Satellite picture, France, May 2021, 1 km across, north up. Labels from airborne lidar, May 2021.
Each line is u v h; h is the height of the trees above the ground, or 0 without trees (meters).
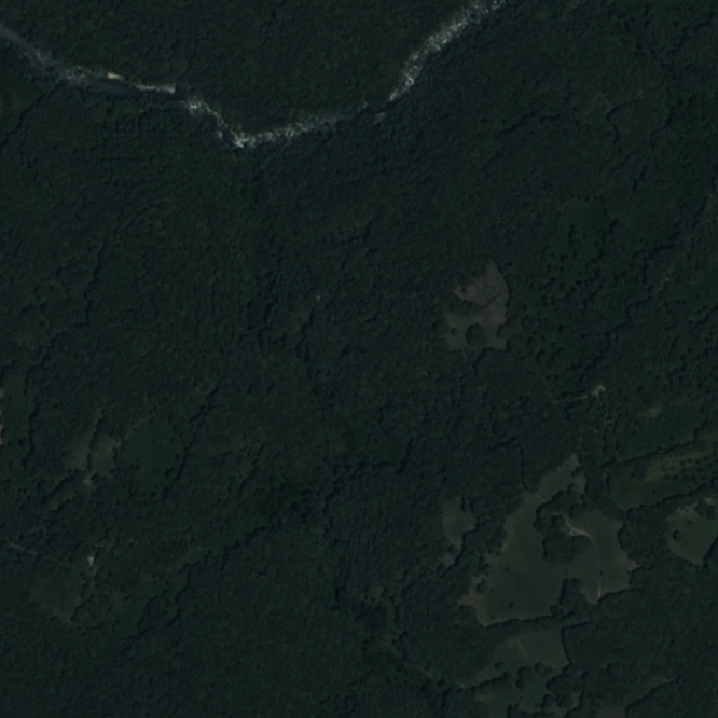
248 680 16
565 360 9
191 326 11
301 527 21
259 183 21
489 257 15
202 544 15
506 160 19
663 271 10
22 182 20
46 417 14
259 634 14
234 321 13
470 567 11
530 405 12
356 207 12
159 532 12
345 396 17
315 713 18
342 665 19
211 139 21
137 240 10
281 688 17
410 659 18
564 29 14
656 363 14
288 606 13
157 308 10
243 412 15
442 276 10
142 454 0
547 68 15
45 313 11
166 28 12
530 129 18
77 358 11
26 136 18
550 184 10
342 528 17
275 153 16
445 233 13
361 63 13
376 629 16
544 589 0
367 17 9
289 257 17
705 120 13
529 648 0
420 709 16
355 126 11
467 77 14
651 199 20
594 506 14
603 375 11
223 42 12
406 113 17
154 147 13
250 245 22
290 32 12
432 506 13
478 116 17
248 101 6
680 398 15
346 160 15
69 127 20
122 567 15
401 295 12
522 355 8
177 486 9
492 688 16
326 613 17
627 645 19
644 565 13
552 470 16
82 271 11
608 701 16
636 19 20
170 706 15
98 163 11
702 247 11
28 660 10
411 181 13
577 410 14
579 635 16
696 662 18
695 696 16
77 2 10
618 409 9
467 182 15
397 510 12
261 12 19
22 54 15
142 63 12
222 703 18
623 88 17
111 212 10
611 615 16
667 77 15
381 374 16
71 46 18
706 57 10
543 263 10
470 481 17
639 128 17
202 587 17
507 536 14
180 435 7
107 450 0
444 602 12
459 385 11
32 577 14
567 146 17
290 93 13
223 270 12
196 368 8
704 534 0
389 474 17
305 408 18
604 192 15
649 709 18
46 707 13
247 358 22
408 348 10
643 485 0
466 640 13
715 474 7
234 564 19
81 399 10
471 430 15
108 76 8
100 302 11
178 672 16
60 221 13
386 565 14
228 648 12
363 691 16
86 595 11
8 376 16
